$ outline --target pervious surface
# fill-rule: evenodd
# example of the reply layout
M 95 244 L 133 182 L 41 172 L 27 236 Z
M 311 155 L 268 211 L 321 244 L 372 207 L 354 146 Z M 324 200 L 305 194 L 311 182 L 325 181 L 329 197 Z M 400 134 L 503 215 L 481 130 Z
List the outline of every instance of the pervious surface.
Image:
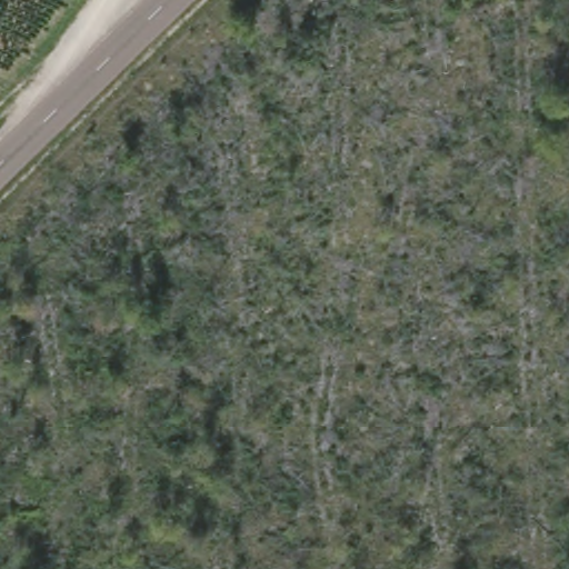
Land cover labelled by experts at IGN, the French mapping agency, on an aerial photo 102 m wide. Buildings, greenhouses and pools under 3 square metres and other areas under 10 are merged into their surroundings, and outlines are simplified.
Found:
M 44 58 L 40 71 L 33 76 L 31 87 L 24 93 L 20 93 L 18 100 L 11 104 L 11 109 L 7 111 L 7 120 L 0 127 L 0 142 L 24 120 L 33 104 L 42 96 L 47 96 L 51 87 L 109 31 L 109 27 L 118 22 L 122 16 L 127 16 L 140 0 L 89 0 L 87 7 L 73 20 L 73 24 L 64 31 L 56 49 Z

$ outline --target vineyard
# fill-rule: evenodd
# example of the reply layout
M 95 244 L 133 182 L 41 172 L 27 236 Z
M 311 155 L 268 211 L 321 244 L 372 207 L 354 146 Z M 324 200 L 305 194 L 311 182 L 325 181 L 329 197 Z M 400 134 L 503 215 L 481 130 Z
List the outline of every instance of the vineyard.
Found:
M 38 36 L 42 24 L 47 24 L 47 20 L 58 7 L 62 7 L 62 0 L 0 0 L 0 69 L 9 69 L 20 53 L 29 53 L 29 40 Z

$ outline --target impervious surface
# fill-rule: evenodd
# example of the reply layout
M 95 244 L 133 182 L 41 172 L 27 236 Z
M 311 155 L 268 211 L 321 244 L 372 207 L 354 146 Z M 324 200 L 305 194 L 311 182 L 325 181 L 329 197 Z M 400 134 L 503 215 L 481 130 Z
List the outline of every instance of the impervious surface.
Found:
M 109 27 L 109 31 L 51 87 L 47 96 L 42 96 L 33 104 L 24 120 L 0 142 L 0 187 L 7 184 L 16 176 L 16 171 L 22 169 L 51 138 L 56 138 L 80 109 L 84 109 L 96 98 L 96 93 L 104 84 L 109 84 L 111 78 L 127 69 L 142 47 L 147 47 L 158 36 L 173 36 L 209 0 L 140 0 L 127 16 L 122 16 L 118 22 Z

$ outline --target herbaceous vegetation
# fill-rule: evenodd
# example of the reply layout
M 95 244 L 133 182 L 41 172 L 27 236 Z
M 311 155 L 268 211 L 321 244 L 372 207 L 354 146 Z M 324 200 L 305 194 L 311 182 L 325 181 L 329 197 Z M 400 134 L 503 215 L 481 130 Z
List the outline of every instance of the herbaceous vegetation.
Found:
M 58 7 L 47 20 L 47 24 L 42 24 L 38 36 L 29 40 L 29 53 L 20 53 L 9 69 L 0 69 L 0 127 L 7 120 L 7 111 L 11 109 L 11 104 L 18 100 L 20 93 L 24 93 L 31 87 L 33 76 L 40 71 L 44 58 L 56 49 L 64 31 L 73 24 L 73 20 L 87 7 L 89 0 L 62 0 L 62 7 Z

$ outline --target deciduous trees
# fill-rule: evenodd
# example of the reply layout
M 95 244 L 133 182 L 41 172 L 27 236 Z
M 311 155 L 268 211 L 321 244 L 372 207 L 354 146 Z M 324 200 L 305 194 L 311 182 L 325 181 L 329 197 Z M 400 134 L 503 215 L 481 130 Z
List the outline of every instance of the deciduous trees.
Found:
M 142 47 L 127 69 L 111 78 L 109 84 L 104 84 L 96 93 L 96 98 L 84 109 L 80 109 L 56 138 L 51 138 L 22 169 L 16 171 L 16 176 L 7 184 L 0 187 L 0 569 L 569 569 L 569 0 L 209 0 L 173 36 L 158 36 L 147 47 Z

